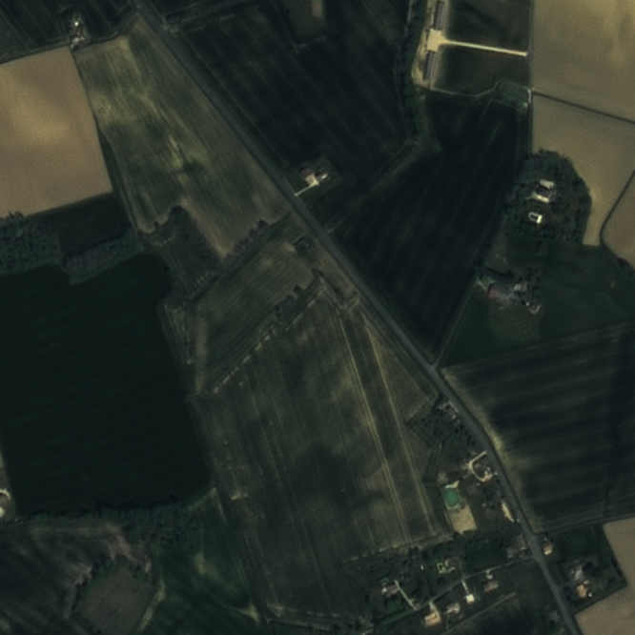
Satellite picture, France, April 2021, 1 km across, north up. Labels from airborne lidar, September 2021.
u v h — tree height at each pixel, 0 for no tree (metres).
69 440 0
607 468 0
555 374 0
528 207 19
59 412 0
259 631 0
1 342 0
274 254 0
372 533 0
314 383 0
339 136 0
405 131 0
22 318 0
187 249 0
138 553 0
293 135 0
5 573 0
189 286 0
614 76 0
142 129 0
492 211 0
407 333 0
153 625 0
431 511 0
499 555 0
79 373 0
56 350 0
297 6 0
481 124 0
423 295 0
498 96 0
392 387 0
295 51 0
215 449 0
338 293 12
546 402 0
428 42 0
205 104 0
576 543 0
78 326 0
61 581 0
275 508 0
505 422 0
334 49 0
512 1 0
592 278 0
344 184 0
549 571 0
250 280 0
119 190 0
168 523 23
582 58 0
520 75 0
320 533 0
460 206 0
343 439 0
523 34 0
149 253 16
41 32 0
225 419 0
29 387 0
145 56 0
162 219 0
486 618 0
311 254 0
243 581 0
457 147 0
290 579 0
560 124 0
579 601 6
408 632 0
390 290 0
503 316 0
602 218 0
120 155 0
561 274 0
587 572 15
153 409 0
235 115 0
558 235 6
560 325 0
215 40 0
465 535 9
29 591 0
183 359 0
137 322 0
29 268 20
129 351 0
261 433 0
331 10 0
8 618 0
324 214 0
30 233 23
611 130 0
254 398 0
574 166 21
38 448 0
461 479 7
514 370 0
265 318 0
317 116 0
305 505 0
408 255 0
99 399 0
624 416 0
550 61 0
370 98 0
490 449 0
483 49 0
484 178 0
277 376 0
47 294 0
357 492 0
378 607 6
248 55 0
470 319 0
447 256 0
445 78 0
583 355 0
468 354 0
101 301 0
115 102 0
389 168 0
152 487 0
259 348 0
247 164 0
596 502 0
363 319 0
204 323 0
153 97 0
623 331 0
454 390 0
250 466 0
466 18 0
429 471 0
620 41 0
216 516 0
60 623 0
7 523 6
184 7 0
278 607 0
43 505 0
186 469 0
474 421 0
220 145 0
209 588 0
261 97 0
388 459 0
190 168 0
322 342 0
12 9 0
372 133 0
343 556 0
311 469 0
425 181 0
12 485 0
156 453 0
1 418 0
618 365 0
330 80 0
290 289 0
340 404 0
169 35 0
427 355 0
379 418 0
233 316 0
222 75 0
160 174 0
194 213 0
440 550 6
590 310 0
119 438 0
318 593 0
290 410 0
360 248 0
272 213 0
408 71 17
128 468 0
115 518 29
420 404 0
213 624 0
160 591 0
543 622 6
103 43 0
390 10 0
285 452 0
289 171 0
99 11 0
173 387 0
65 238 0
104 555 0
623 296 0
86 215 0
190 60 0
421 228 0
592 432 0
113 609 0
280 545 0
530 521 0
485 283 14
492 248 15
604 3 0
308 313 0
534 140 0
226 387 0
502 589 0
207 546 0
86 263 18
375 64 0
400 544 0
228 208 0
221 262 16
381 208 0
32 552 0
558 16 0
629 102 0
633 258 0
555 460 0
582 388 0
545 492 0
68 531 0
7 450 0
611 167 0
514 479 0
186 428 0
